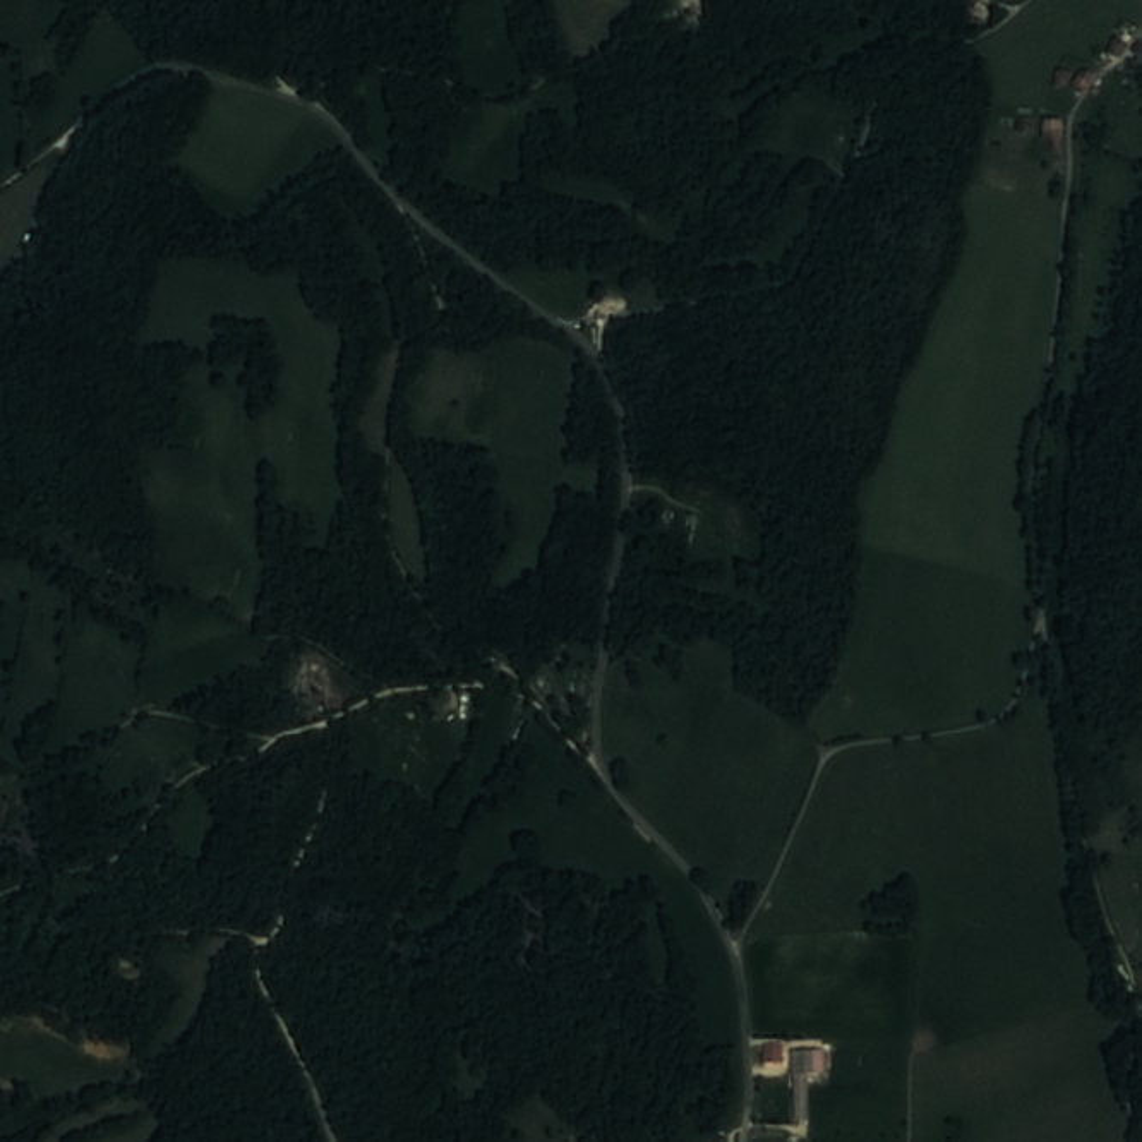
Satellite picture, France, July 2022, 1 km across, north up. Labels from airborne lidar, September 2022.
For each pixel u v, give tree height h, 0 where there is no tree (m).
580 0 0
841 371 11
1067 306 9
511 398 0
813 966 0
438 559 18
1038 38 0
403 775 0
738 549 0
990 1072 0
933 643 0
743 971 0
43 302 17
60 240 15
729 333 14
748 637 14
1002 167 0
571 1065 15
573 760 13
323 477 0
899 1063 0
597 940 21
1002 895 0
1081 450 10
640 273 14
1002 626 0
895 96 14
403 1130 15
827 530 13
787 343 10
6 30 0
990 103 15
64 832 11
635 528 19
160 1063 10
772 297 17
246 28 22
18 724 0
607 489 18
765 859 0
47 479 18
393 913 20
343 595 12
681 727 0
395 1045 14
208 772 7
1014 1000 0
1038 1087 0
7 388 20
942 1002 0
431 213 17
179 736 0
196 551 0
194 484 0
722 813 0
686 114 14
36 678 0
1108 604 12
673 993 12
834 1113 0
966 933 0
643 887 16
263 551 9
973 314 0
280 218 19
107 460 16
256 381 19
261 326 16
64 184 12
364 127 15
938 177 7
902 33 14
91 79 0
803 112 0
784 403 16
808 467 18
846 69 15
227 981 14
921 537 0
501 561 9
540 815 0
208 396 0
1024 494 11
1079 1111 0
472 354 17
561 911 21
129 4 15
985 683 0
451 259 16
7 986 16
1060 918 0
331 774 13
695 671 0
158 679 0
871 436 8
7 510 14
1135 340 14
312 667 0
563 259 14
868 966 0
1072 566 13
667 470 15
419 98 18
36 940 16
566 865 0
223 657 0
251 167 0
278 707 10
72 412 17
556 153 14
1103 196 0
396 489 0
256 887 9
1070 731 13
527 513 0
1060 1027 0
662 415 14
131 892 14
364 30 9
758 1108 0
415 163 19
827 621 15
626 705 0
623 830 0
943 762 0
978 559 0
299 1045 11
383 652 19
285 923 10
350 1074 14
